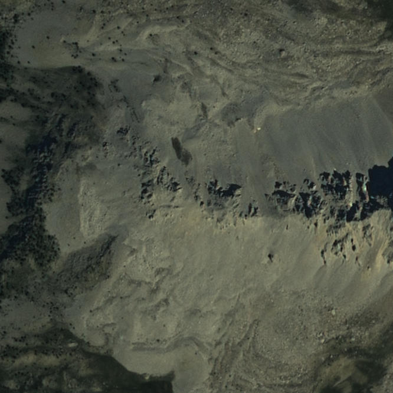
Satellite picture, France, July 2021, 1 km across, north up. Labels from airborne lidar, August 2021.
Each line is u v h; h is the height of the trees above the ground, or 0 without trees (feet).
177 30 0
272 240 0
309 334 0
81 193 0
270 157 0
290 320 0
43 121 0
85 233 0
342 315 0
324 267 0
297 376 0
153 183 0
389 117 0
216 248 0
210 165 0
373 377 0
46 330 0
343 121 0
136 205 0
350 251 0
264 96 0
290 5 0
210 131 0
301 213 0
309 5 0
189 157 0
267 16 0
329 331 0
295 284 0
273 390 0
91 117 0
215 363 0
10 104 0
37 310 0
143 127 0
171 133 0
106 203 0
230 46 0
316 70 0
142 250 0
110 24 0
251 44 0
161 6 0
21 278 0
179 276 0
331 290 0
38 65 0
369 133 0
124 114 0
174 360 0
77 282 0
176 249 0
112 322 0
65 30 0
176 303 0
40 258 29
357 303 0
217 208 0
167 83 0
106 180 0
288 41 0
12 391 0
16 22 29
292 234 0
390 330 0
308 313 0
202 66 0
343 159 0
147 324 0
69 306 0
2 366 0
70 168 0
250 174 0
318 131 0
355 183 0
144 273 0
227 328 0
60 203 0
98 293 0
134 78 0
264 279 0
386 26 0
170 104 0
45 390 0
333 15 0
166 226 0
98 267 0
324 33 0
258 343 0
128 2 0
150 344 0
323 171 0
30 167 0
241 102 0
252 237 0
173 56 0
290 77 0
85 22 0
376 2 0
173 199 0
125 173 0
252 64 0
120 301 0
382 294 0
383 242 0
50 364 0
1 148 0
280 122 0
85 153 0
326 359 0
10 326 0
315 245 0
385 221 0
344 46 0
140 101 0
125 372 0
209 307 0
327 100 0
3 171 29
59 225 0
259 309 0
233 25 0
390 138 0
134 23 0
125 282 0
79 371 0
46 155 0
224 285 0
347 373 0
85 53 0
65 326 0
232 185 0
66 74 0
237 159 0
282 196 0
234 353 0
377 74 0
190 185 0
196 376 0
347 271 0
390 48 0
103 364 0
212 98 0
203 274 0
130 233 0
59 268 0
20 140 0
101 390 0
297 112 0
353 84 0
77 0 0
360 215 0
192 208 0
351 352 0
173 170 0
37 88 0
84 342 0
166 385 0
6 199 0
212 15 0
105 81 0
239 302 0
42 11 0
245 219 0
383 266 0
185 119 0
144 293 0
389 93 0
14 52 0
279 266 0
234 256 0
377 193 0
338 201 0
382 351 0
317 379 0
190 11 0
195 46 0
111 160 0
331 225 0
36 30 0
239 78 0
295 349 0
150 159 0
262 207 0
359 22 0
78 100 0
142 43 0
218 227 0
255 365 0
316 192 0
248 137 0
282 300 0
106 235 0
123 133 0
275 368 0
